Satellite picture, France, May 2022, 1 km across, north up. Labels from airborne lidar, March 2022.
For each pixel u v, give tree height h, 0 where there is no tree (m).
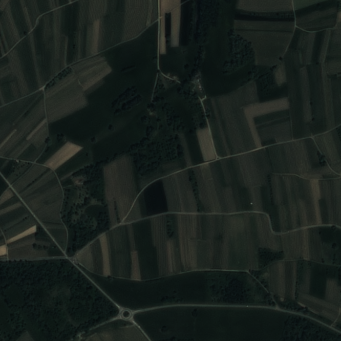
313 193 0
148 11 0
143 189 0
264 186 0
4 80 0
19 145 0
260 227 0
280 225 0
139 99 14
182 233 0
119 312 0
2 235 0
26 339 0
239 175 0
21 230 0
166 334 0
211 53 0
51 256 0
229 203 0
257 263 0
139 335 0
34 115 0
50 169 0
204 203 0
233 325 0
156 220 0
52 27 0
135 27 0
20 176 0
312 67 0
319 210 0
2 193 0
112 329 0
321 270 0
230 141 0
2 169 0
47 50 0
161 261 0
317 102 0
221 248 0
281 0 0
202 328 0
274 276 0
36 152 0
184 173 0
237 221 0
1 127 0
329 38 0
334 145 0
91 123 0
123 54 0
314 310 0
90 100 0
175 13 0
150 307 0
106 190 0
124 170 0
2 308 0
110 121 0
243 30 0
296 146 0
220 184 0
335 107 0
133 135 0
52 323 0
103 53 0
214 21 24
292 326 7
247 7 0
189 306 0
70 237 0
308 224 0
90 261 0
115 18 0
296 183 0
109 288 0
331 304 0
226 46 0
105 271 0
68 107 0
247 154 0
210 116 8
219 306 0
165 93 0
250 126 0
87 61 0
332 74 0
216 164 0
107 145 0
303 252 0
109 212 0
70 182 0
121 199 0
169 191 0
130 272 0
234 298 7
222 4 0
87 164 0
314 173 0
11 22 0
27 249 0
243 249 0
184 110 0
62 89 0
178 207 0
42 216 0
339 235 0
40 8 0
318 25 0
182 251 0
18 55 0
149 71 0
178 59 0
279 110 0
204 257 0
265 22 0
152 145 11
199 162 0
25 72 0
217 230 0
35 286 11
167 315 0
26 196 0
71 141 0
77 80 0
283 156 0
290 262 0
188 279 0
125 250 0
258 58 0
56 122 0
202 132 0
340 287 0
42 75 0
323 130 0
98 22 0
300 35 0
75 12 0
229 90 0
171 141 7
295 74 0
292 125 0
